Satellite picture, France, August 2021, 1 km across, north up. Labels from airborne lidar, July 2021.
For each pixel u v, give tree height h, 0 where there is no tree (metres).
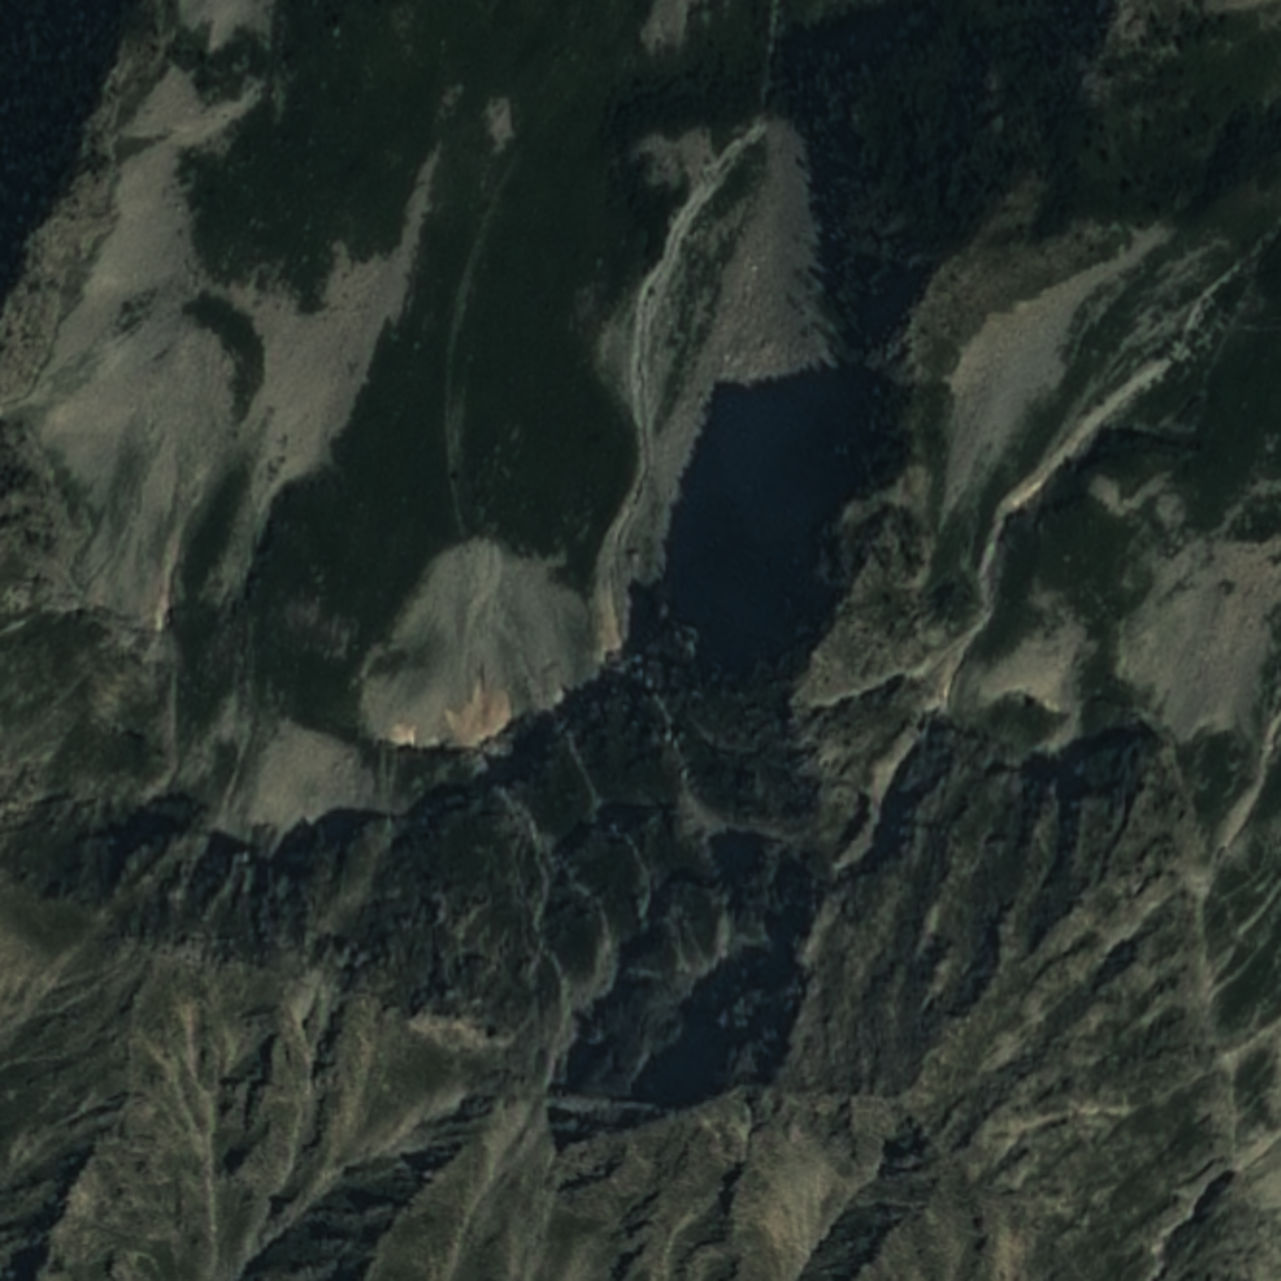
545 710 0
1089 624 0
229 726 0
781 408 0
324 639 0
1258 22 0
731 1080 0
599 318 0
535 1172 0
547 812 0
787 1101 0
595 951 0
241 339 0
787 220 0
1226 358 0
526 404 0
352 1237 0
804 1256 0
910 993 0
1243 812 0
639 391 0
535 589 0
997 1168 0
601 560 0
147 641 0
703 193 0
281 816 0
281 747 0
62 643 0
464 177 0
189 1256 0
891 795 0
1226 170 6
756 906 0
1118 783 0
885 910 0
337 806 0
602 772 0
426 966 0
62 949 0
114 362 0
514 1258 0
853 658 0
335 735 0
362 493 0
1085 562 0
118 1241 0
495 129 0
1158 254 0
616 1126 0
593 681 0
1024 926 0
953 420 0
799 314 0
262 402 0
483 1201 0
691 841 0
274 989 0
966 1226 0
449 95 0
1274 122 6
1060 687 0
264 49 0
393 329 0
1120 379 0
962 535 0
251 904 0
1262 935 0
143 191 0
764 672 0
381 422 0
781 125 0
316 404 0
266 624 0
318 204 0
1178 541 0
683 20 0
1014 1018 0
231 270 0
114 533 0
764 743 0
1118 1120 0
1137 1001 0
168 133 0
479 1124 0
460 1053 0
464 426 0
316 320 0
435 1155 0
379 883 0
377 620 0
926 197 8
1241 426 0
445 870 0
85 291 0
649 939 0
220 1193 0
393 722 0
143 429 0
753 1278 0
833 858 0
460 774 0
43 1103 0
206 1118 0
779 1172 0
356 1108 0
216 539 0
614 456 0
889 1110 0
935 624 0
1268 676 0
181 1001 0
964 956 0
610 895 0
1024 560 0
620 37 0
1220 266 0
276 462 0
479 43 0
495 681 0
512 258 0
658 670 0
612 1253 0
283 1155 0
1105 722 0
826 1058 0
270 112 0
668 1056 0
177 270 0
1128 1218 0
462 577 0
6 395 0
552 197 0
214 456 0
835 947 0
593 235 0
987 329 0
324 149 0
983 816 0
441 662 0
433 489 0
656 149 0
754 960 0
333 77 0
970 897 0
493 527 0
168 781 0
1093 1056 0
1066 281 0
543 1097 0
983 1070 0
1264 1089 0
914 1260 0
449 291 0
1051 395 0
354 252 0
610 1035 0
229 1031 0
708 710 0
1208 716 0
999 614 0
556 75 0
